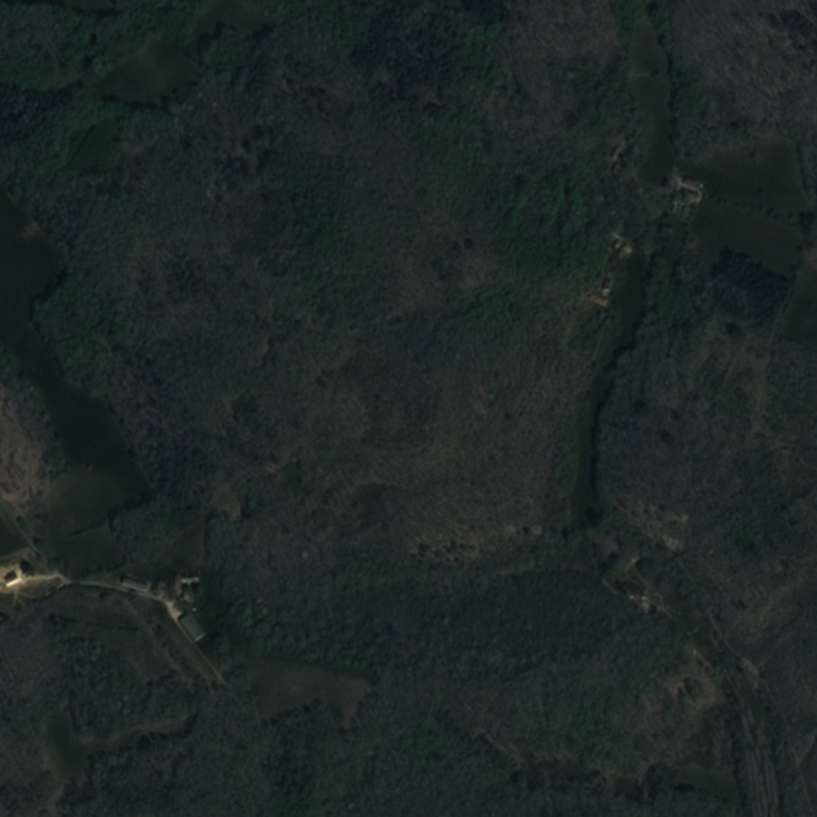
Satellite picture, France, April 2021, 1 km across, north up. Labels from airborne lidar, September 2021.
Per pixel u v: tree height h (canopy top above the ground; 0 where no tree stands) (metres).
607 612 12
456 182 11
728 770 15
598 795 20
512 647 9
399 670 15
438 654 11
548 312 18
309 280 12
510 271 15
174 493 22
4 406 0
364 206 12
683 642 23
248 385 13
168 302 20
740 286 18
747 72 16
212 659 0
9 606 0
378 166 12
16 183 22
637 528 7
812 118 17
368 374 7
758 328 12
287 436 17
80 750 0
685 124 23
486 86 15
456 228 8
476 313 20
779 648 10
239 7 0
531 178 22
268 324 16
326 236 17
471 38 16
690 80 19
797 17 11
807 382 8
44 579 0
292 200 10
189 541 0
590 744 27
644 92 0
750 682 0
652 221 18
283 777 23
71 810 20
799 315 0
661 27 18
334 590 19
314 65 19
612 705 21
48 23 24
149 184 23
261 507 18
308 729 25
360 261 13
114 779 25
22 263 0
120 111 15
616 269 16
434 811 23
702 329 12
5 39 21
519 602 12
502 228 13
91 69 17
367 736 24
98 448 0
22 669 0
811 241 18
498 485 16
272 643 23
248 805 18
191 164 23
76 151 6
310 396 15
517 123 14
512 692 18
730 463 13
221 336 21
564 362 13
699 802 21
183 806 24
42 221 27
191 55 6
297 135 11
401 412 8
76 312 23
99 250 19
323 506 17
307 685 0
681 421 15
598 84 18
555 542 22
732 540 26
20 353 0
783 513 13
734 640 10
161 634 15
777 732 10
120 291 19
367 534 25
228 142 17
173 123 27
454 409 13
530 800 23
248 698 20
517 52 18
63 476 0
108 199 20
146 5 19
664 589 24
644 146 18
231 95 15
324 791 22
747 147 20
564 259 17
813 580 6
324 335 9
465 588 16
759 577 13
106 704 16
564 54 16
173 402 20
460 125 17
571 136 21
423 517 17
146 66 0
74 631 12
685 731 19
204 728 20
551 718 24
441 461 14
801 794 17
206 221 18
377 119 13
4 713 12
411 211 8
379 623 14
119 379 12
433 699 22
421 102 13
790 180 0
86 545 0
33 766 20
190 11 15
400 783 23
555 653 10
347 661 20
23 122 19
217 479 24
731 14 13
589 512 0
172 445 17
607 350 0
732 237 0
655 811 21
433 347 18
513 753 22
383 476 18
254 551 23
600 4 21
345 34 19
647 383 14
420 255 10
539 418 11
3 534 0
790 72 19
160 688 13
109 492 0
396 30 18
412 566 18
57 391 0
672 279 9
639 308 0
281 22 17
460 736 30
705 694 24
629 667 23
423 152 11
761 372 0
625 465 17
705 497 17
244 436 18
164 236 19
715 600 16
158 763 7
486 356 12
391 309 13
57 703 17
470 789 23
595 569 11
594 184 26
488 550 9
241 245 6
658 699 18
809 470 6
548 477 20
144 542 18
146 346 20
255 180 25
